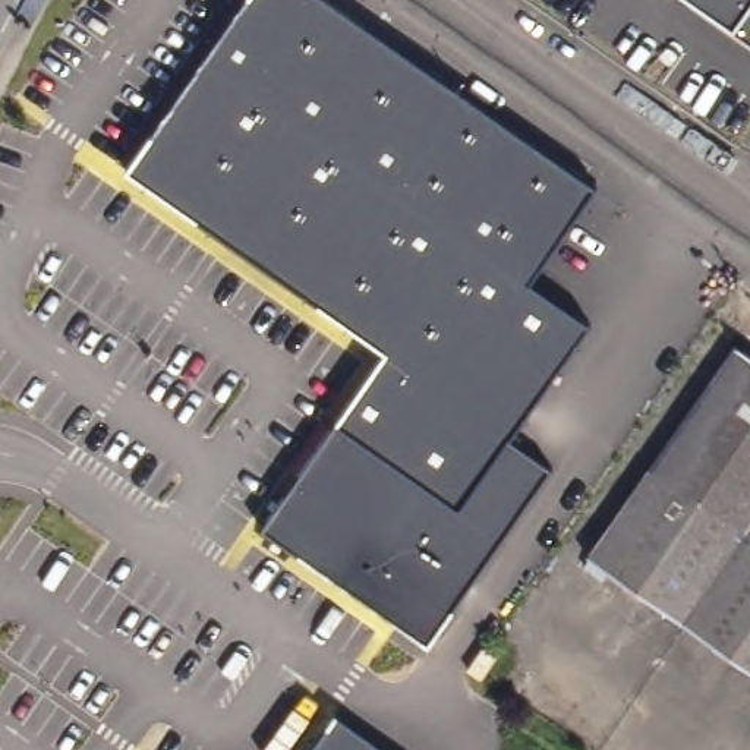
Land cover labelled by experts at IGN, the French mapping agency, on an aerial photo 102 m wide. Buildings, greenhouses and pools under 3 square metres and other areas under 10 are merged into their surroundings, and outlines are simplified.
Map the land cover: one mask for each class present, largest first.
<instances>
[{"label":"impervious surface","instance_id":"1","mask_svg":"<svg viewBox=\"0 0 750 750\"><path fill-rule=\"evenodd\" d=\"M50 0H0V100ZM243 0H85L73 12V18L62 23V38H53L41 50L47 70H29L26 94L15 91L9 97L18 103L21 114L0 126V750H313L328 721L349 727L375 750H501L498 729L495 703L486 697V674L492 671L489 653H478V659L466 665L463 650L472 642L478 621H483L486 615H501L510 642V656H516V668L510 677V683L521 694L533 709L565 724L563 738L574 750H750V680L732 671L729 665L715 662L677 627L653 615L650 609H642L639 604L627 601V595H621L606 580V571L601 565L589 563V557L601 533L612 524L615 513L633 495L639 480L656 466L662 451L671 445L683 422L688 419V413L697 407L700 396L709 390L712 378L727 363V357L732 352H744L750 357V56H744L735 41L709 29L703 21L688 15L674 0H325L352 23L366 29L372 38L396 50L401 59L425 70L428 76H434L448 91H454L475 111L486 114L489 120L521 138L527 146H533L536 152H542L545 158H551L586 185L583 196L571 208L554 243L542 252L533 272V290L583 325L548 372L554 384L542 381L513 419V428L524 431L516 448L539 466L551 463V478L527 507V513L519 519L495 560L469 589L457 612H451L439 624L431 642H419L416 636L393 627L378 612L354 601L346 589L331 583L316 568H311L305 560L281 557L278 545H270L258 536V527L270 519L272 504H278L290 492L302 466L311 460L316 445L325 439L349 398L354 396V390L375 366V357L352 346L354 331L331 319L328 313L305 305L290 290L249 267L223 243L208 237L179 208L155 196L141 182H135V176L123 167L152 135L158 120L167 114L179 91L199 67V62L208 56V50L217 44V38L223 35V29L229 26ZM38 281L50 284L47 290L53 296L41 313L23 308V293ZM47 504L59 507L67 519H73L79 527L97 536L100 548L91 557V563H79L73 554H67L64 542H50L35 530V519ZM384 645L410 653L413 662L396 671H375L372 659L384 650Z\"/></svg>","mask_w":750,"mask_h":750},{"label":"building","instance_id":"2","mask_svg":"<svg viewBox=\"0 0 750 750\"><path fill-rule=\"evenodd\" d=\"M123 167L135 176V182H141L155 196L179 208L208 237L223 243L249 267L290 290L305 305L328 313L331 319L354 331L352 346L375 357V366L354 390V396L349 398L325 439L316 445L311 460L302 466L290 492L278 504H272L270 519L258 527V536L270 545H278L281 557L305 560L311 568H316L331 583L346 589L354 601L378 612L393 627L416 636L419 642H431L439 624L451 612H457L469 589L495 560L519 519L527 513V507L551 478V463L539 466L516 448L524 431L513 428V419L542 381L554 384L548 372L583 325L533 290V272L542 252L554 243L571 208L583 196L586 185L551 158H545L542 152H536L533 146H527L521 138L489 120L486 114L475 111L454 91H448L434 76H428L425 70L401 59L396 50L372 38L366 29L352 23L325 0H243L229 26L223 29V35L217 38V44L208 50V56L199 62V67L179 91L167 114L158 120L152 135ZM688 15L703 21L709 29L735 41L744 56H750V0H674ZM589 563L601 565L606 571V580L621 595H627V601L639 604L642 609H650L653 615L677 627L715 662L729 665L732 671L750 680V357L744 352H732L727 357V363L712 378L709 390L700 396L697 407L688 413V419L683 422L671 445L662 451L656 466L639 480L633 495L615 513L612 524L601 533L589 557ZM313 750H375L349 727L328 721Z\"/></svg>","mask_w":750,"mask_h":750},{"label":"herbaceous vegetation","instance_id":"3","mask_svg":"<svg viewBox=\"0 0 750 750\"><path fill-rule=\"evenodd\" d=\"M85 0H50L0 100V126L21 114L18 103L9 97L15 91L26 94L29 70H47L41 50L53 38H62V23L73 18V12ZM35 530L50 542H64L67 554H73L79 563H91V557L100 548L97 536L79 527L73 519H67L59 507L47 504L35 519ZM413 662L410 653L384 645V650L372 659L375 671H396ZM486 697L495 703L519 700L521 694L510 683V677H495L492 671L486 674ZM565 724L533 709L524 718V724H504L498 729L501 750H574L563 738Z\"/></svg>","mask_w":750,"mask_h":750},{"label":"deciduous trees","instance_id":"4","mask_svg":"<svg viewBox=\"0 0 750 750\"><path fill-rule=\"evenodd\" d=\"M478 653H489L492 671L495 677H510L516 668V656H510V642L501 615H486L483 621H478L472 642L463 650L466 665L478 659Z\"/></svg>","mask_w":750,"mask_h":750},{"label":"brushwood","instance_id":"5","mask_svg":"<svg viewBox=\"0 0 750 750\"><path fill-rule=\"evenodd\" d=\"M50 284L38 281L23 293V308L41 313L53 296L47 290ZM498 729L504 724H524V718L533 709L521 694L519 700L495 703Z\"/></svg>","mask_w":750,"mask_h":750}]
</instances>
